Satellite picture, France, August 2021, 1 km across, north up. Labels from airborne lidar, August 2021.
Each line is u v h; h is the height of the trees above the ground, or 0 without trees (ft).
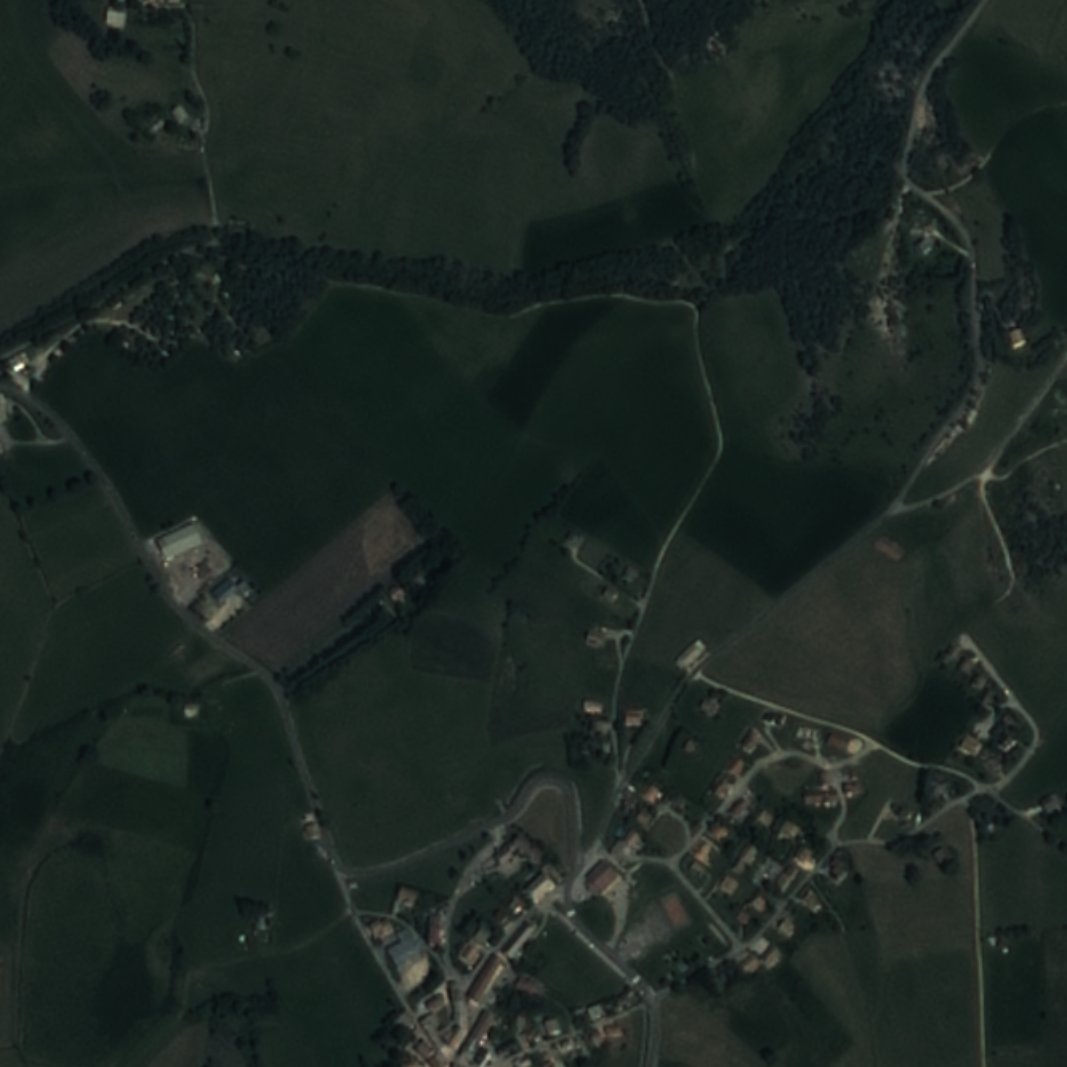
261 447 0
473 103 0
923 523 0
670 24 49
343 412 0
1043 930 0
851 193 42
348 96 0
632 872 0
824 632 0
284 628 0
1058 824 46
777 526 0
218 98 0
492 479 0
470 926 43
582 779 0
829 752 0
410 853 0
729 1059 0
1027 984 0
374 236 0
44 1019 0
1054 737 0
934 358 0
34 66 0
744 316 0
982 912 0
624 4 23
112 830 0
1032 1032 0
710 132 0
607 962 0
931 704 0
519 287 39
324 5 0
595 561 0
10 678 0
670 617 0
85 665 0
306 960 0
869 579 0
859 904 0
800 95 0
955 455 0
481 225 0
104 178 0
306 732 0
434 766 0
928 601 0
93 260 0
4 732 0
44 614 0
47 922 0
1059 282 0
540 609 0
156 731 0
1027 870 0
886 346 0
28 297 0
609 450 0
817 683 0
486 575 0
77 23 41
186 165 0
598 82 52
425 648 0
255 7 0
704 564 0
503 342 0
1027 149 0
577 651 0
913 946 0
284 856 0
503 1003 32
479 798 0
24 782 0
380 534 0
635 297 26
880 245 0
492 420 0
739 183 0
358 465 0
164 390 0
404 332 0
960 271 42
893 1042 0
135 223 0
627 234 0
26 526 0
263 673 0
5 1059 0
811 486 0
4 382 24
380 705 0
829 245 48
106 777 0
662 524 0
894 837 0
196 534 0
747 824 18
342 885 0
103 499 0
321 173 0
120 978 0
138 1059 0
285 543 0
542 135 0
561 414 0
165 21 22
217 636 0
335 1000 0
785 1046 0
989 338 31
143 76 0
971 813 22
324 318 0
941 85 27
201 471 0
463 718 0
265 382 0
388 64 0
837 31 0
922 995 0
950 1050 0
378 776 0
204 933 0
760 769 0
